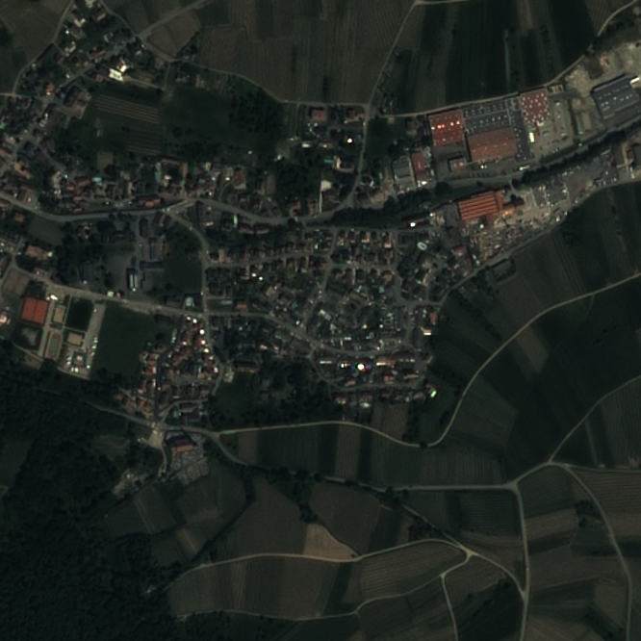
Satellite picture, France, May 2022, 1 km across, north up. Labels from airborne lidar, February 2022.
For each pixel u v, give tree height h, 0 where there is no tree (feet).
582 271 0
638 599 0
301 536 0
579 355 0
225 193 0
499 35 0
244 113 20
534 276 0
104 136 0
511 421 0
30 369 0
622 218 0
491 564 0
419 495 0
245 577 0
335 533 0
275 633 0
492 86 0
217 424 31
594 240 0
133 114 0
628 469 0
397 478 0
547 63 0
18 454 0
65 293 0
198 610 0
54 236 0
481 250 0
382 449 0
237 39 0
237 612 0
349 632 0
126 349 0
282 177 20
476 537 0
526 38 0
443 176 0
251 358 37
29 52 0
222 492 0
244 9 0
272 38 0
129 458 22
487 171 0
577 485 0
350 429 0
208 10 0
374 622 0
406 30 0
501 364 0
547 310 0
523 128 0
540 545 0
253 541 0
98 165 0
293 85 0
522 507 0
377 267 0
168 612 22
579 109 0
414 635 0
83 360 0
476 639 0
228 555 0
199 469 0
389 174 0
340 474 0
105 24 40
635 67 0
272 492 0
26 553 81
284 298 0
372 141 0
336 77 0
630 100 0
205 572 0
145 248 0
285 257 0
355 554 0
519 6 0
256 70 0
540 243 0
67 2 0
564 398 0
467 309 22
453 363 0
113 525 0
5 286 0
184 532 0
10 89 0
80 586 68
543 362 0
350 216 59
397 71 0
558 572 0
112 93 0
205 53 0
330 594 0
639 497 0
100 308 0
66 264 56
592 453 0
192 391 0
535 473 0
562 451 0
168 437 0
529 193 0
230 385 0
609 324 0
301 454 0
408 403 0
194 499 0
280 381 48
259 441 0
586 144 0
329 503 0
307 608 0
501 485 0
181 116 0
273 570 0
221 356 49
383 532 0
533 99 0
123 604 61
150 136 0
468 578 0
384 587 0
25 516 84
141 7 0
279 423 18
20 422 56
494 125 0
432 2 0
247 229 0
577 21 0
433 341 37
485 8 0
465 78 0
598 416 0
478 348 0
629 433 0
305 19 0
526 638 0
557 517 0
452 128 0
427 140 33
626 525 0
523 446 0
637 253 0
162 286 0
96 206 0
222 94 0
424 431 0
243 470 42
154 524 0
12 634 70
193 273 0
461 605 0
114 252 0
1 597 45
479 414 0
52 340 0
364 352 0
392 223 0
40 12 0
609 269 0
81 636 66
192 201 0
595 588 0
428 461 0
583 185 0
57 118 0
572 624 0
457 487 0
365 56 0
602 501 0
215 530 0
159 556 0
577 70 0
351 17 0
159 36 0
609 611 0
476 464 0
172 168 0
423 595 0
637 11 0
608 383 0
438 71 0
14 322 0
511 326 0
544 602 0
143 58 0
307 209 0
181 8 0
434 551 0
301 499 30
